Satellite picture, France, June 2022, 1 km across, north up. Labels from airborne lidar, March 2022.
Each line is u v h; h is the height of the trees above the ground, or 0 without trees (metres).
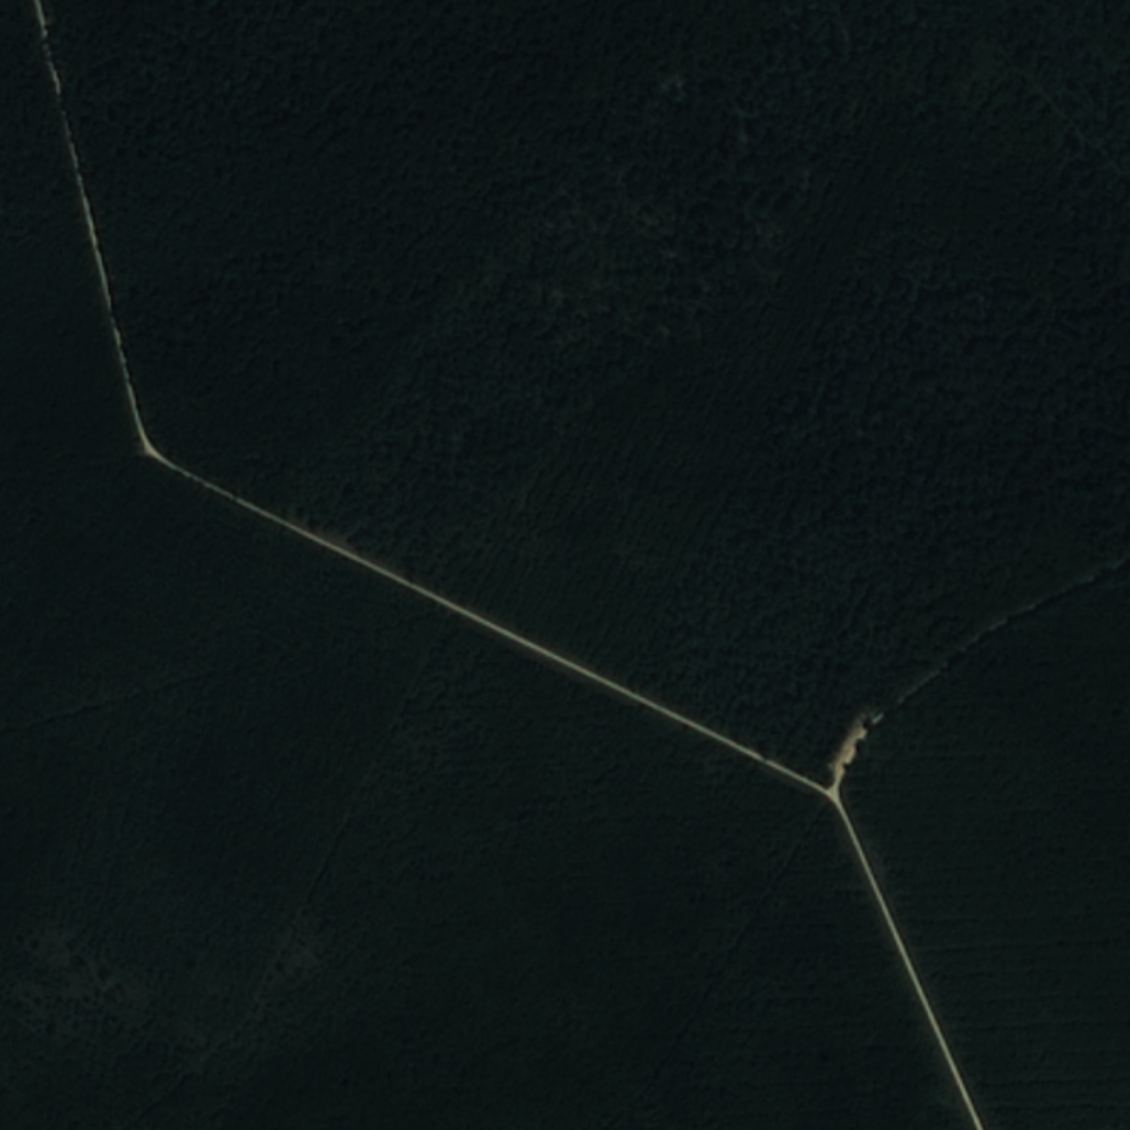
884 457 22
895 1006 6
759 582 17
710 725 13
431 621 11
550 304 14
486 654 6
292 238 20
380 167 21
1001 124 7
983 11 21
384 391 14
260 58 21
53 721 9
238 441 14
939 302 23
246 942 11
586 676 0
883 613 19
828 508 16
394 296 18
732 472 8
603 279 13
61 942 0
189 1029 0
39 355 11
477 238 16
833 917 6
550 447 20
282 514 12
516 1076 7
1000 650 8
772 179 25
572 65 14
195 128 22
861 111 6
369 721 10
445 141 19
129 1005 0
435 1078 8
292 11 20
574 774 6
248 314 19
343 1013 6
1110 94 8
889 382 23
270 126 22
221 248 18
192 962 17
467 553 8
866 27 28
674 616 20
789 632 16
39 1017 0
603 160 17
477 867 8
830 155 12
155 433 11
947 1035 0
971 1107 0
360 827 6
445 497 17
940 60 27
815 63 26
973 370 25
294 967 0
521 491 16
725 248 31
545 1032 7
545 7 15
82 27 20
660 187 18
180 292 17
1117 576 8
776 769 0
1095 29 20
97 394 10
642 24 6
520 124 14
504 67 19
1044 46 18
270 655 12
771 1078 6
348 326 15
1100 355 26
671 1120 7
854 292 15
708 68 15
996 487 21
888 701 18
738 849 10
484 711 9
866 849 0
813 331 6
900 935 0
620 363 24
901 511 18
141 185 14
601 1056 8
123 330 11
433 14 0
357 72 22
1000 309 24
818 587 20
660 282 9
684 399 7
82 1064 6
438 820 8
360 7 19
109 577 12
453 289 17
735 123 31
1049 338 25
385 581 6
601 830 6
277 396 11
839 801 0
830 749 19
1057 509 24
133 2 23
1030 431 6
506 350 20
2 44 19
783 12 25
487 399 19
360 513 19
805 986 9
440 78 15
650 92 21
